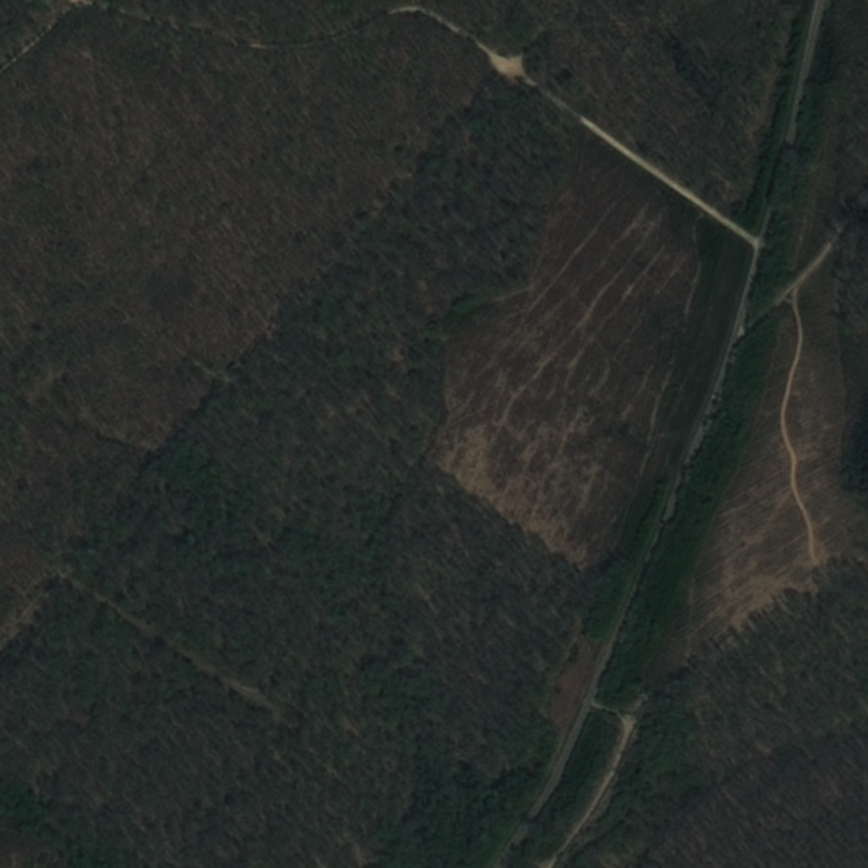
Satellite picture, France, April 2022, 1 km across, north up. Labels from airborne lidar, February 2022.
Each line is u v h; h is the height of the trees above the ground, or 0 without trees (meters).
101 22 15
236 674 27
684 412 0
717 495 7
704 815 0
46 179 23
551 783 0
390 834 30
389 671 24
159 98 20
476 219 30
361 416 0
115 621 30
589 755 9
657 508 10
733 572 0
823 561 0
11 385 0
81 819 28
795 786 0
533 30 24
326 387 30
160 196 20
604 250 0
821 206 0
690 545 12
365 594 27
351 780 26
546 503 0
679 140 19
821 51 6
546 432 0
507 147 30
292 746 28
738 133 23
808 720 27
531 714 34
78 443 25
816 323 0
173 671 28
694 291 0
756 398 6
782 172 21
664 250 0
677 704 26
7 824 18
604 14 20
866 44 6
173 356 0
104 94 16
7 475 23
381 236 29
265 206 14
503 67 0
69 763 28
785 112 13
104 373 0
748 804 0
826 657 26
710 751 27
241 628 29
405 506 26
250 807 28
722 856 0
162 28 21
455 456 0
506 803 18
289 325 26
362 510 25
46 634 25
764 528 0
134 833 21
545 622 26
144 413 0
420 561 25
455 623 25
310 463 29
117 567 34
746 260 0
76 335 0
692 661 0
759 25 12
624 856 27
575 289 0
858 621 28
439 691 29
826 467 0
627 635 14
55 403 0
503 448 0
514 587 27
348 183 0
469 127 28
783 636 26
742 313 0
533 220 29
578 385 0
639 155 0
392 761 27
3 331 0
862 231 30
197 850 22
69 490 26
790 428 0
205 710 27
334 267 29
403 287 33
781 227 17
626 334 0
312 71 21
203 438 28
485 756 24
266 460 27
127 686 29
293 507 27
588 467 0
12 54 22
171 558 29
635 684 8
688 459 0
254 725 27
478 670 26
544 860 0
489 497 0
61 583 0
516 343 0
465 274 34
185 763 30
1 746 28
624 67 23
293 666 29
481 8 18
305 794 29
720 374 0
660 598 17
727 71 16
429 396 22
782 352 0
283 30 23
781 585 0
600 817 0
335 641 25
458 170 31
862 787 26
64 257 13
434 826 26
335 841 25
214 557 23
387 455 26
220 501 24
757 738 25
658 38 18
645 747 11
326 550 23
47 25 0
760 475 0
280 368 26
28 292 25
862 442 13
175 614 30
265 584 27
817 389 0
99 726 28
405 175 20
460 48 21
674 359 0
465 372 0
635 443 0
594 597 29
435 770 26
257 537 26
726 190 20
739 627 0
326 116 26
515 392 0
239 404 29
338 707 30
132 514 29
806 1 0
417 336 24
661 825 33
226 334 0
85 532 0
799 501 0
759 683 28
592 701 0
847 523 0
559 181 31
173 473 26
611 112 18
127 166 16
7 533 16
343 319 29
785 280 21
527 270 16
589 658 28
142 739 29
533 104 28
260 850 29
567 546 0
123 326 0
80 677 30
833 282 0
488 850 25
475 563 24
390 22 22
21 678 28
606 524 0
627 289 0
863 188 20
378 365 27
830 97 16
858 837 25
